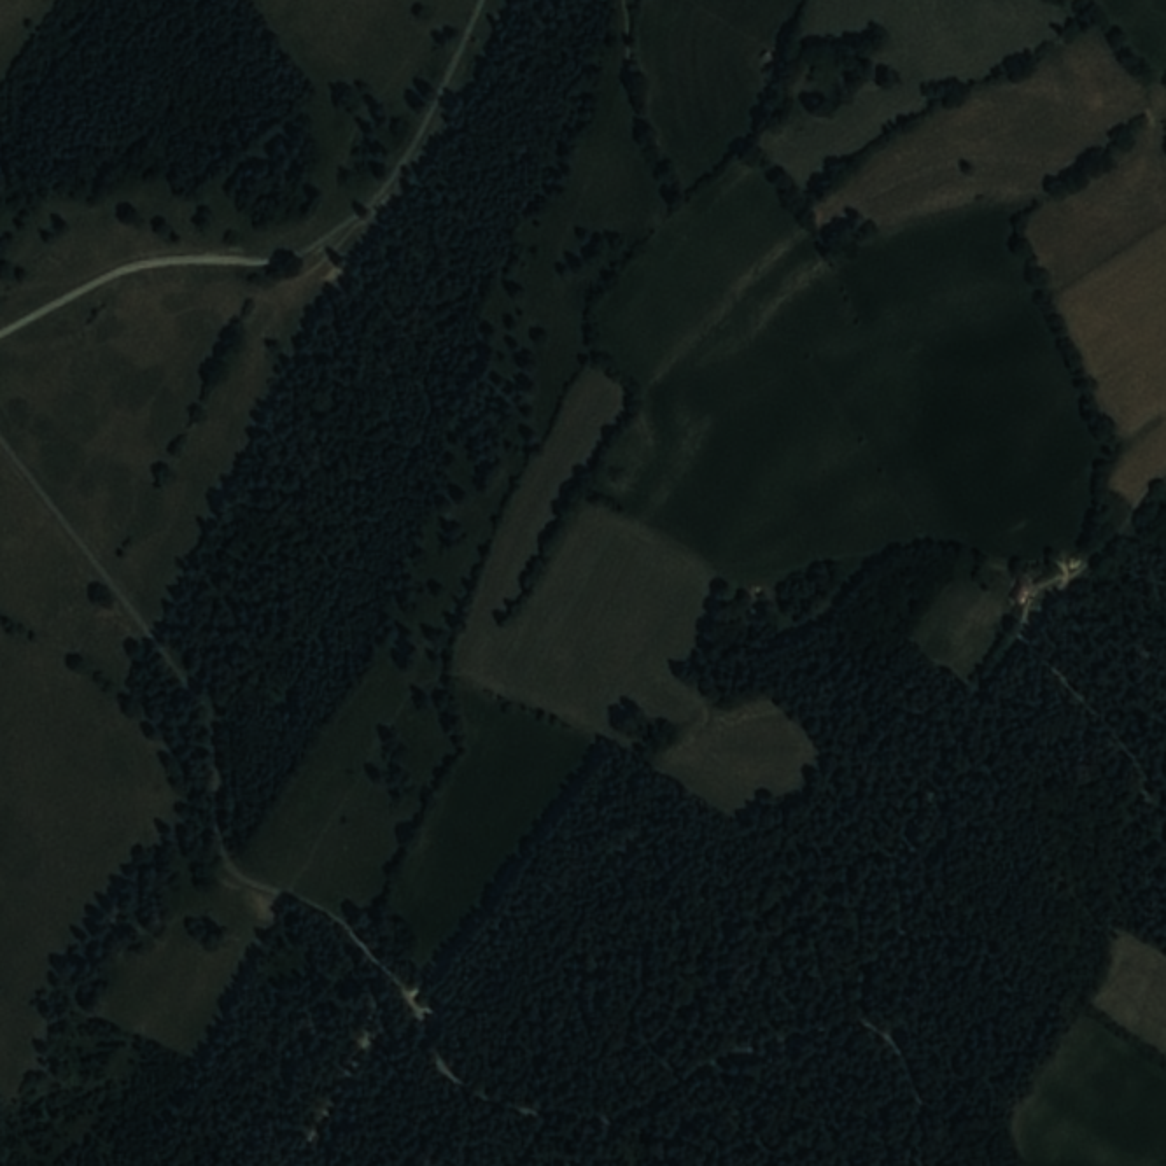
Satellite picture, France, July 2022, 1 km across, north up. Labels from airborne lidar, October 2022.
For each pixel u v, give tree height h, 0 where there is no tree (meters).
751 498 0
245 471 18
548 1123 30
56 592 0
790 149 0
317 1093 13
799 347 0
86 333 0
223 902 0
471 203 18
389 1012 31
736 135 0
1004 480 0
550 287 0
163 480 16
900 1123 35
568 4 29
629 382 16
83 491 0
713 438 0
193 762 26
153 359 0
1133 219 0
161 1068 9
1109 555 16
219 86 24
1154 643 19
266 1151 33
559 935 26
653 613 0
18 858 0
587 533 0
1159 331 0
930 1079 28
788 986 39
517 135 23
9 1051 0
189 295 0
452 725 27
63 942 0
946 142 0
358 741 0
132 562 0
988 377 0
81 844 0
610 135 0
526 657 0
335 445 18
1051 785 15
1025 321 0
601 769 27
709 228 0
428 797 17
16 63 11
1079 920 16
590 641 0
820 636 26
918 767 35
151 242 0
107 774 0
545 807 0
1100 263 0
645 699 0
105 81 21
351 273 30
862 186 0
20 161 16
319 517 26
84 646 0
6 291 0
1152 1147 0
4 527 0
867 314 0
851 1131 36
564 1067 33
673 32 0
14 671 0
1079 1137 0
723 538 0
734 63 0
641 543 0
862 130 0
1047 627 31
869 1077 36
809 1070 37
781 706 20
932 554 19
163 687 20
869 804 35
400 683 0
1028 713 29
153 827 0
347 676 23
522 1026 26
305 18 0
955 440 0
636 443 0
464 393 32
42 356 0
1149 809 34
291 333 0
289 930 17
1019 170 0
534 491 0
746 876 31
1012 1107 20
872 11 0
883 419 0
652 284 0
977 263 0
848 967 10
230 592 7
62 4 10
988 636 0
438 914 0
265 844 0
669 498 0
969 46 0
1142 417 0
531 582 10
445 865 0
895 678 22
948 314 0
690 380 0
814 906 33
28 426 0
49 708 0
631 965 31
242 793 23
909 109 0
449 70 0
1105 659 15
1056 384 0
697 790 0
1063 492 0
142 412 0
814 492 0
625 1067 37
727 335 0
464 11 0
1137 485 0
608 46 14
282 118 8
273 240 0
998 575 0
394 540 20
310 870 0
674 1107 34
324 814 0
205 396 9
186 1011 0
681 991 30
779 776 0
